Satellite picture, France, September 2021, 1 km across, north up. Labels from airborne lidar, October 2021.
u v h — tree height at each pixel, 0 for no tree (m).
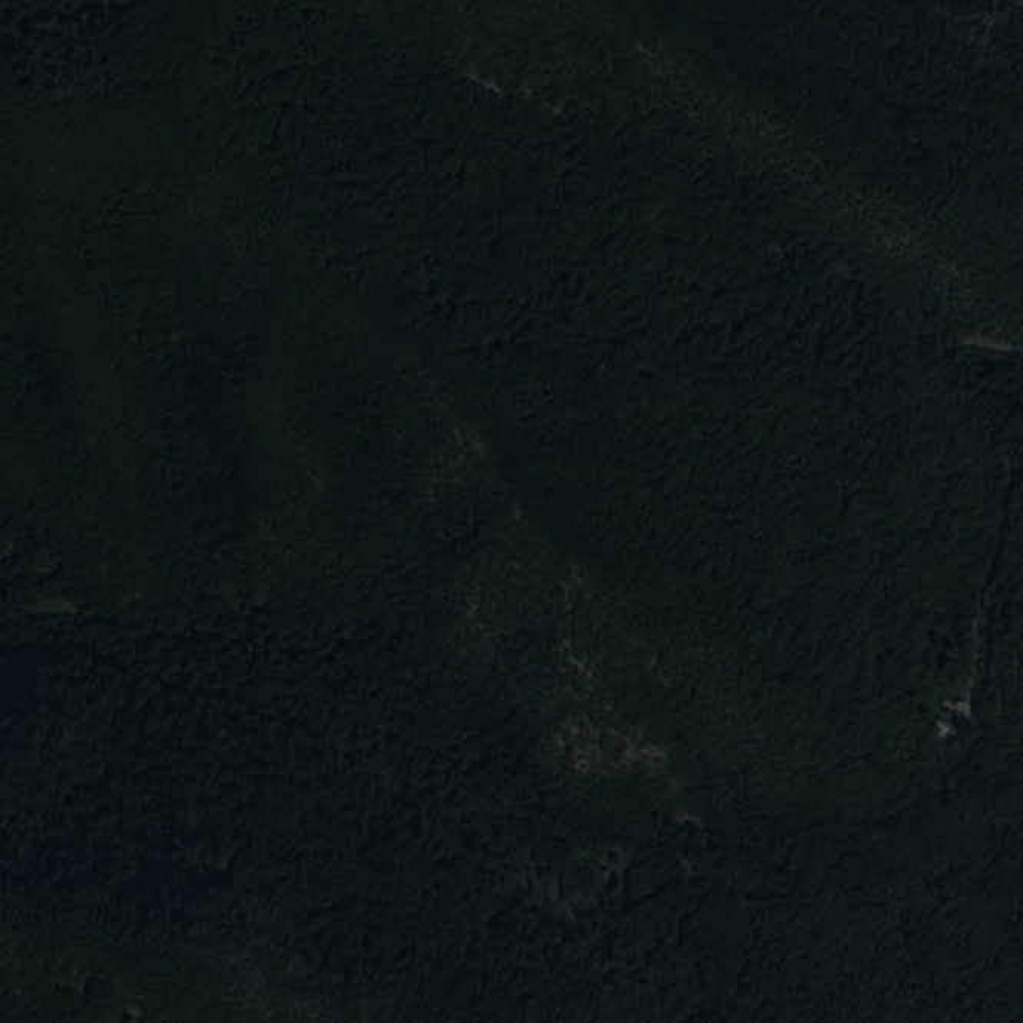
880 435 21
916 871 25
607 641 21
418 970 19
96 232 26
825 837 26
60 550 22
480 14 18
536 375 21
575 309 30
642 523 27
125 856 30
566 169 24
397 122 29
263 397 16
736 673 17
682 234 28
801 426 26
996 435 18
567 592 12
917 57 21
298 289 20
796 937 17
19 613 28
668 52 13
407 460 21
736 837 24
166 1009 13
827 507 20
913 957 20
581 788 12
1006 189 24
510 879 18
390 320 25
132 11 19
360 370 20
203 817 20
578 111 21
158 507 25
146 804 32
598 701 10
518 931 28
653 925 21
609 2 20
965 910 17
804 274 25
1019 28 23
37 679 23
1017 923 14
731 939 21
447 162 28
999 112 23
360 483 26
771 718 16
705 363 24
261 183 26
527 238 27
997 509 12
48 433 28
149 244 23
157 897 37
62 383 24
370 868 26
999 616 16
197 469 31
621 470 29
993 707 19
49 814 27
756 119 14
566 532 23
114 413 18
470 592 15
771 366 24
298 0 18
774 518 28
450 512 22
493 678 23
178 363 22
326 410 27
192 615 32
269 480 19
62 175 16
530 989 27
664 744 13
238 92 29
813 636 26
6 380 24
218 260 17
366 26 19
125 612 28
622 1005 21
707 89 18
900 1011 21
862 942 17
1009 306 16
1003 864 28
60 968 21
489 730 27
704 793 27
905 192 23
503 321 26
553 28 17
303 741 25
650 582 21
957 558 14
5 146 20
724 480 26
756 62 24
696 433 29
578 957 23
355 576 24
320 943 34
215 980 10
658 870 13
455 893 28
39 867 37
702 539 26
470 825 25
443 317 27
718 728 13
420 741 25
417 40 21
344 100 24
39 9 13
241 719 24
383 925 29
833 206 15
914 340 21
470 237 25
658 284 27
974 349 6
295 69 26
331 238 26
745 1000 25
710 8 23
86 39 25
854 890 17
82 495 26
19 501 20
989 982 21
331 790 26
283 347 18
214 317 19
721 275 22
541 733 17
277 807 27
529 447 26
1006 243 20
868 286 21
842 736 19
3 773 24
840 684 21
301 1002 12
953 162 22
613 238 25
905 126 23
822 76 23
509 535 16
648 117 10
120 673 25
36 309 24
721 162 21
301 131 35
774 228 22
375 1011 16
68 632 13
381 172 24
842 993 25
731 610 28
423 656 20
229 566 24
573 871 22
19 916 27
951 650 19
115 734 30
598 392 28
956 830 20
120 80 27
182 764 32
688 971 17
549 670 15
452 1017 31
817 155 18
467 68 21
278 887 20
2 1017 24
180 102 26
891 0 21
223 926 26
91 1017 17
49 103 23
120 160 16
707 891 18
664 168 21
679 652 18
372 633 24
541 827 21
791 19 24
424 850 26
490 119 29
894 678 24
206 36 26
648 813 17
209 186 18
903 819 29
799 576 20
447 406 14
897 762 21
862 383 20
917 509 23
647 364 28
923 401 17
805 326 20
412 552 21
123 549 24
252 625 15
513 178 25
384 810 25
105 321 21
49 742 28
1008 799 19
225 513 28
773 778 23
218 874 28
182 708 29
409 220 24
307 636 23
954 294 14
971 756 25
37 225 19
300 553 19
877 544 20
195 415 29
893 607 24
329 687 24
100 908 27
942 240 12
